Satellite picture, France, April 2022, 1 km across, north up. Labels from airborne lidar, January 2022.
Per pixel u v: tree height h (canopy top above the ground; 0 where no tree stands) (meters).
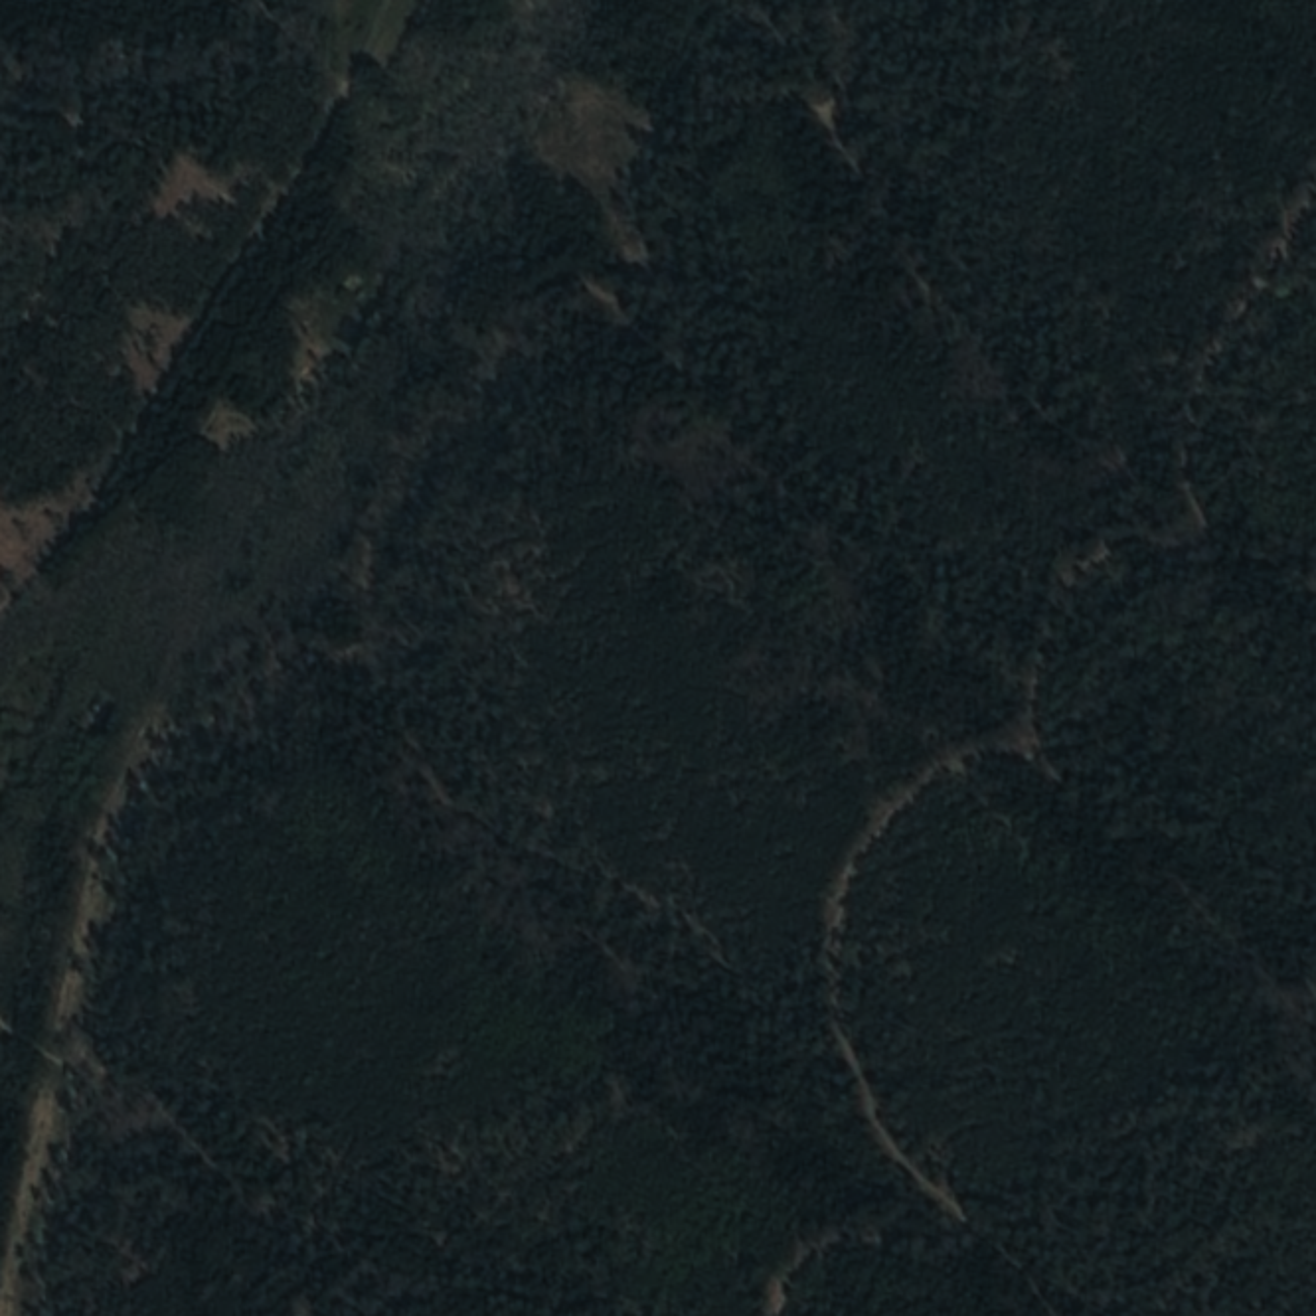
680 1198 14
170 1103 23
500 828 22
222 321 19
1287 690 12
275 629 12
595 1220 11
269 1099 9
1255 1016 15
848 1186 11
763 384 18
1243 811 8
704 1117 18
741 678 10
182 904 10
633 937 17
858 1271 13
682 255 8
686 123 25
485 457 10
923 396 10
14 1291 0
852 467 10
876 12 23
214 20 24
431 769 24
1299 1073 15
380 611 19
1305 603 12
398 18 0
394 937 10
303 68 24
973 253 19
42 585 18
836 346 11
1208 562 32
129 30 21
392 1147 10
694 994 10
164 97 26
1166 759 13
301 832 13
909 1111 9
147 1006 9
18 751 7
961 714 13
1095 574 30
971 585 29
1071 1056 11
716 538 12
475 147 11
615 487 10
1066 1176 29
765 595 11
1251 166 11
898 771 11
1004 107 11
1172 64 10
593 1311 18
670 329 32
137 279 23
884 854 9
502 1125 10
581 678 10
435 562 9
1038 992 9
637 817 10
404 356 20
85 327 25
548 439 29
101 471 21
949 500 11
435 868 11
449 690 29
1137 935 12
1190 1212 24
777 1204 13
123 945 8
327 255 30
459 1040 9
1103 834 17
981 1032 9
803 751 8
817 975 30
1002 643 26
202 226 22
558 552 9
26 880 9
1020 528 12
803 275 12
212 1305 11
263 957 10
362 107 21
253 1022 9
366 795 11
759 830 9
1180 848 12
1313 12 10
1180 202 7
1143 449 11
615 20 25
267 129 21
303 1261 11
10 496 13
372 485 8
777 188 10
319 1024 9
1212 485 20
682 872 10
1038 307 9
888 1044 8
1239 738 13
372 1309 21
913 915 9
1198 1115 8
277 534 11
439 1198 11
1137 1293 28
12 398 19
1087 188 8
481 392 29
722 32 24
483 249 21
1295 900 23
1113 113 8
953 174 11
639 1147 9
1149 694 9
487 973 12
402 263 14
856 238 16
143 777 0
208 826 11
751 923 9
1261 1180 7
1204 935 11
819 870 10
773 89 29
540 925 22
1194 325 9
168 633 18
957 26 28
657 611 9
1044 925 9
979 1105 10
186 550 9
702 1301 9
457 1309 20
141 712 13
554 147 0
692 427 20
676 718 11
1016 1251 16
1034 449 12
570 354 9
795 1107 13
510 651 8
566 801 11
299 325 19
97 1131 12
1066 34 9
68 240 9
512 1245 10
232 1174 27
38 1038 20
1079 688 14
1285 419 10
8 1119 16
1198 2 10
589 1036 14
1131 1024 12
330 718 12
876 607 16
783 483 9
